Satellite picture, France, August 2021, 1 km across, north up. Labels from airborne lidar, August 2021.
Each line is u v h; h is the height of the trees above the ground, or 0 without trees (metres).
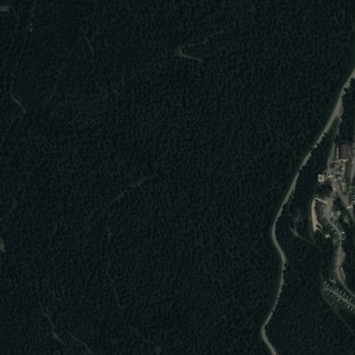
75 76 9
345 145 0
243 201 17
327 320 23
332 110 0
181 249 23
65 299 31
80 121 35
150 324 22
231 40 19
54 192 19
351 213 0
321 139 0
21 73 15
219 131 13
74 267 18
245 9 10
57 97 8
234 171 13
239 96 22
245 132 21
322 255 10
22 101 13
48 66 21
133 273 18
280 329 12
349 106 17
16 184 27
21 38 23
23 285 18
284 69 20
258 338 11
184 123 21
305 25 13
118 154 15
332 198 0
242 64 8
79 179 12
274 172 25
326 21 7
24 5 28
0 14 29
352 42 7
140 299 25
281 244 9
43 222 29
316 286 21
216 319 20
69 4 8
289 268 11
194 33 17
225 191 13
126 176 27
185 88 11
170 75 27
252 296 24
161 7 9
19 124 11
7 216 27
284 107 20
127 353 8
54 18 11
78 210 23
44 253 23
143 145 18
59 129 23
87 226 21
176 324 30
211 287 17
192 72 28
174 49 7
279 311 9
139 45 8
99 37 12
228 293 22
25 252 27
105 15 10
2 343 14
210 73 27
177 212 10
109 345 19
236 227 16
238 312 25
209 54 27
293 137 15
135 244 11
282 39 12
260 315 17
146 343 8
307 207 9
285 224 24
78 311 11
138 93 11
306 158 0
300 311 12
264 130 21
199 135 7
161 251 10
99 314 23
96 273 24
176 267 16
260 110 7
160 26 10
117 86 8
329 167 0
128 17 12
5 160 27
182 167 19
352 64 0
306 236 17
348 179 0
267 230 13
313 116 20
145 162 19
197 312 7
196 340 18
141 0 10
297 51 18
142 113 6
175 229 11
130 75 14
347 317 10
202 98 19
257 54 15
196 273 21
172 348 9
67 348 22
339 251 0
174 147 21
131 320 29
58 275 15
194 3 27
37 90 7
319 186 0
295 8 19
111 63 8
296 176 0
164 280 26
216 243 11
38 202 20
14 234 14
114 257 13
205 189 16
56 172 18
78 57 9
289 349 12
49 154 10
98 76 17
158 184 26
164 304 21
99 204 27
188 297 27
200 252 10
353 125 9
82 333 19
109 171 22
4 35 15
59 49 6
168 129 26
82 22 17
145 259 19
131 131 22
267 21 18
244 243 10
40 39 14
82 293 23
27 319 19
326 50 8
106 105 30
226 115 25
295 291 10
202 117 18
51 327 24
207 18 26
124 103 29
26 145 21
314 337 15
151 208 22
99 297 24
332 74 7
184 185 20
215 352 6
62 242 16
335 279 0
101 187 18
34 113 12
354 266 0
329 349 19
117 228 11
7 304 16
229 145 21
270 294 10
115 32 11
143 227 9
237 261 25
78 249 18
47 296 24
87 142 23
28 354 28
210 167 19
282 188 8
